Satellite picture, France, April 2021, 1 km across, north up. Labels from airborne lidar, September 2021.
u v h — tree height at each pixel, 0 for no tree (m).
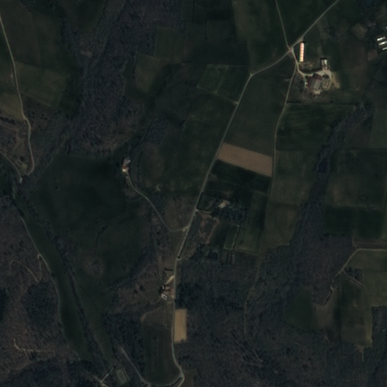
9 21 0
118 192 0
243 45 0
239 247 0
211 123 0
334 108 0
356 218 0
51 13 0
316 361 10
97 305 0
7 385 12
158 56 0
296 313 0
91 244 0
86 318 15
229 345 9
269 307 10
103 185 0
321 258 10
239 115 0
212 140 0
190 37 0
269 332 12
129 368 18
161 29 0
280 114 0
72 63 0
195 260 11
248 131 0
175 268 0
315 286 12
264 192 0
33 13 0
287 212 0
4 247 6
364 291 0
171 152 0
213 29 0
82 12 0
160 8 11
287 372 15
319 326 0
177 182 0
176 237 0
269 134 0
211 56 0
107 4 10
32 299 16
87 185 0
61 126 5
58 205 0
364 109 7
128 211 0
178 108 0
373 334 7
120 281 14
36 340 13
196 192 0
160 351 0
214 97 0
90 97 12
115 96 16
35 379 12
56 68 0
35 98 0
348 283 0
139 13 6
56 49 0
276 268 6
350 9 0
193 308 13
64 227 0
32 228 0
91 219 0
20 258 14
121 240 0
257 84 0
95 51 11
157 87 0
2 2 0
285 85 0
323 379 8
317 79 0
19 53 0
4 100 0
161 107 0
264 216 0
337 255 7
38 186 11
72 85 11
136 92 0
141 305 6
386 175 0
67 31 18
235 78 0
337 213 0
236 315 13
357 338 0
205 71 0
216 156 0
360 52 0
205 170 0
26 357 11
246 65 0
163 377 0
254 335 25
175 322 0
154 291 0
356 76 0
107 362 19
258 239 0
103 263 0
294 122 0
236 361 12
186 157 0
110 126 10
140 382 7
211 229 6
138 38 10
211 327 15
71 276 14
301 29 0
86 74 9
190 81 0
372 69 0
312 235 8
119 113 15
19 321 12
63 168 0
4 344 16
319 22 0
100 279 0
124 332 16
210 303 17
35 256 6
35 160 6
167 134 0
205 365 14
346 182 0
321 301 7
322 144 0
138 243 0
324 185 0
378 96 0
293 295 13
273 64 0
